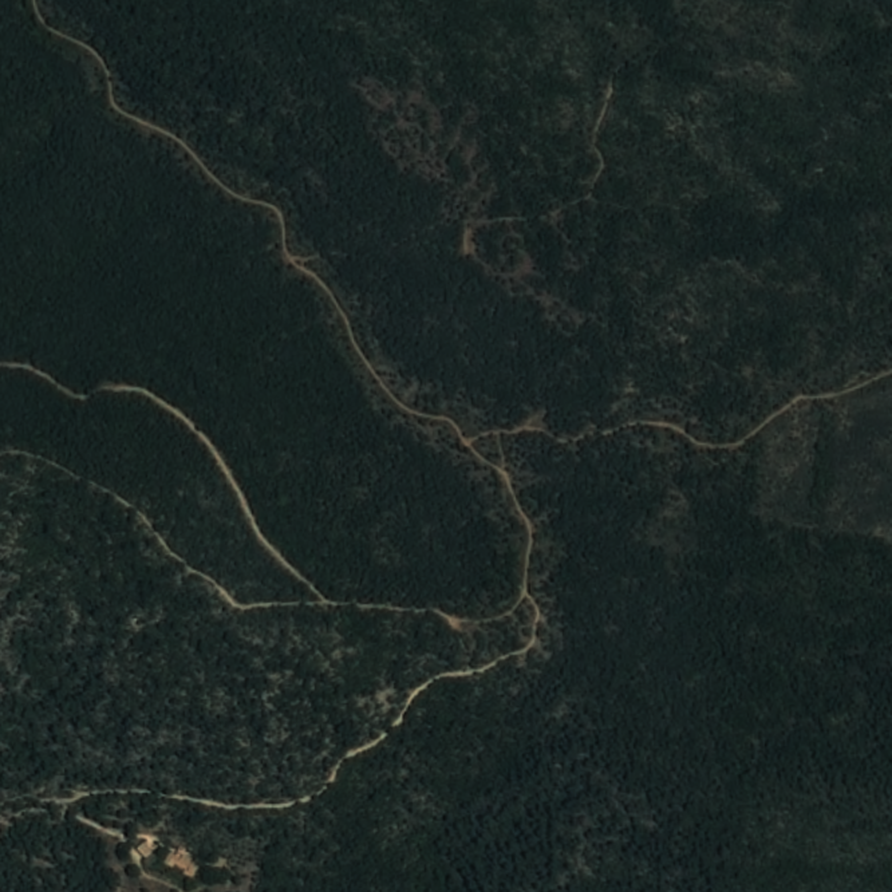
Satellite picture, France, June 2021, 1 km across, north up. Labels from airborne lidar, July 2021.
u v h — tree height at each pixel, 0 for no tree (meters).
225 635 10
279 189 8
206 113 11
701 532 6
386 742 7
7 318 10
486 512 10
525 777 12
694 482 7
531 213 7
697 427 7
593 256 6
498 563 10
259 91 10
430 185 10
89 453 13
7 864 16
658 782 9
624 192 6
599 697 9
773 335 8
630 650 8
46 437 10
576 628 11
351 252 8
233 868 8
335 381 8
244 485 7
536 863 7
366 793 7
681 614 13
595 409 11
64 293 7
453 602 12
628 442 7
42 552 7
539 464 11
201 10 7
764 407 6
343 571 10
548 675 9
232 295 9
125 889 0
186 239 12
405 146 9
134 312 7
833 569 7
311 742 11
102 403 8
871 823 7
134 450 8
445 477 10
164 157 11
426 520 7
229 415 6
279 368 9
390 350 10
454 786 8
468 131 6
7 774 13
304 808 6
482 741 7
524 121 6
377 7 6
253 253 8
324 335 8
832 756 6
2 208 7
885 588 6
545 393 10
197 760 10
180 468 7
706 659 11
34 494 13
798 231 7
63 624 8
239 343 6
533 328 11
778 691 5
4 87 12
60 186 6
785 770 11
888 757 10
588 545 10
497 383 8
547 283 8
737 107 9
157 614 8
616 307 8
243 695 13
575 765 10
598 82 7
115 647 11
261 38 14
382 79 9
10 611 10
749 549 7
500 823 11
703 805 7
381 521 10
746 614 7
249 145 13
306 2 6
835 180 6
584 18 12
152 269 8
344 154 15
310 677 12
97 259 11
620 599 8
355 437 12
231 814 6
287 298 10
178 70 7
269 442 8
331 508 9
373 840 7
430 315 8
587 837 12
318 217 9
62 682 9
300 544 10
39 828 12
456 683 10
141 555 8
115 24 8
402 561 9
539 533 7
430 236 7
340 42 9
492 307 9
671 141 7
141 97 11
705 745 10
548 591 7
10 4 10
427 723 17
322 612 7
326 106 7
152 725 8
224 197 8
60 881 7
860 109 6
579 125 6
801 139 7
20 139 7
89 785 16
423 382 9
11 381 9
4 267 10
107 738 13
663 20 11
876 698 10
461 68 8
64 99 10
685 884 6
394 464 13
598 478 13
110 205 8
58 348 8
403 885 13
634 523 8
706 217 7
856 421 0
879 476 0
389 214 10
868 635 8
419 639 14
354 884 11
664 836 10
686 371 7
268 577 7
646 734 9
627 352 6
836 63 7
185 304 6
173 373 6
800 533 9
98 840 10
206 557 7
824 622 7
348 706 7
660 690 8
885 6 8
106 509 7
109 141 9
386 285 9
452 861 8
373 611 6
